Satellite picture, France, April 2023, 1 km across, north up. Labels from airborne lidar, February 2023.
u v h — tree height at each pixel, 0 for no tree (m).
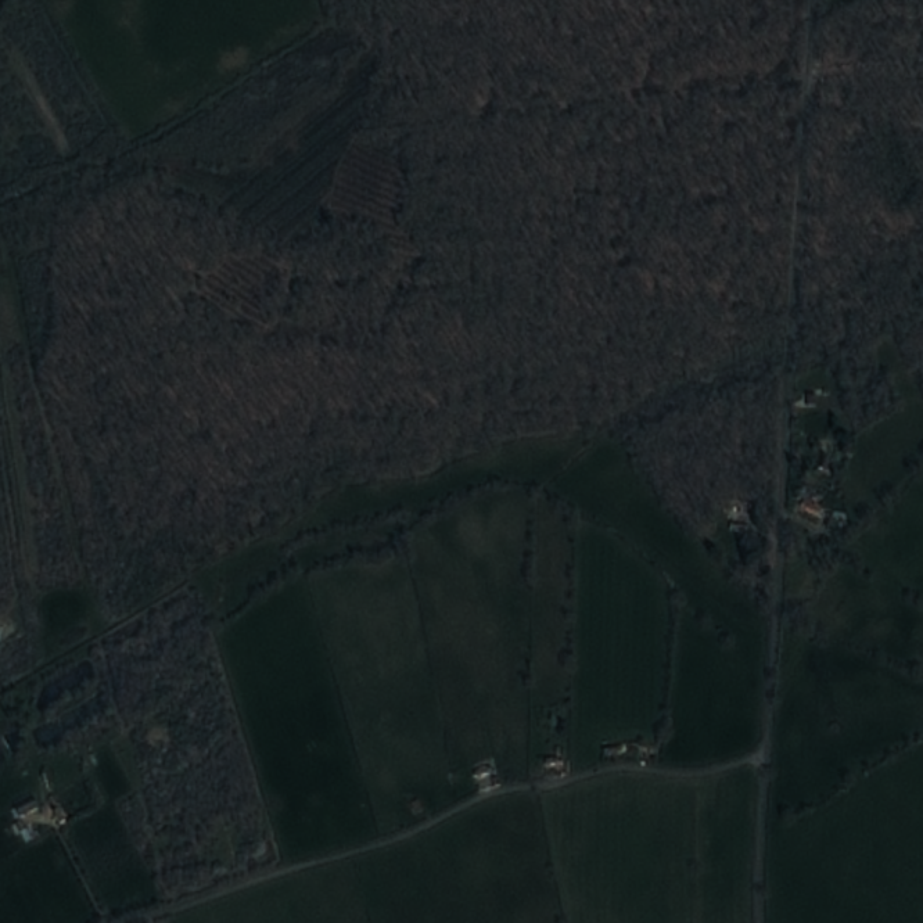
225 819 9
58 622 0
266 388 19
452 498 6
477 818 0
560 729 13
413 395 28
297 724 0
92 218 21
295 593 0
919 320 11
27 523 0
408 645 0
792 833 0
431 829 0
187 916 0
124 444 24
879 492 0
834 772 0
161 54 0
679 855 0
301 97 7
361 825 0
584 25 23
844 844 0
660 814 0
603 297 23
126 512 17
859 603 0
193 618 10
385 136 16
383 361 25
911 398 0
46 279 8
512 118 18
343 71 8
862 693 0
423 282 18
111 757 0
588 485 0
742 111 17
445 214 14
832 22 20
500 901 0
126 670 15
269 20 0
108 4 0
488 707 0
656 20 6
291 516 16
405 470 20
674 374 21
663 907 0
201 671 7
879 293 24
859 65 0
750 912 0
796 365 18
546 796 0
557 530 0
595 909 0
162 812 9
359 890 0
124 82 0
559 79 18
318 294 22
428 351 26
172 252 25
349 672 0
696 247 21
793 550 23
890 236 23
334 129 0
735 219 23
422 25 24
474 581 0
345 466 17
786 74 0
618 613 0
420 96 21
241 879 8
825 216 20
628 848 0
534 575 15
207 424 19
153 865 8
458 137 21
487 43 21
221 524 21
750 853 0
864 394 7
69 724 0
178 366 20
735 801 0
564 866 0
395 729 0
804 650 0
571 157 15
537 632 0
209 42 0
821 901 0
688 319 20
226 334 23
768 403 16
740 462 10
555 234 21
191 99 0
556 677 0
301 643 0
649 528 0
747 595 18
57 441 10
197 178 0
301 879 0
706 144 13
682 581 0
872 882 0
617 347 16
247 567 0
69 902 0
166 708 5
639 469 14
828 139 24
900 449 0
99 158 10
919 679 15
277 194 0
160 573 17
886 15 24
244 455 21
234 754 10
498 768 0
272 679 0
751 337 18
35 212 15
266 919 0
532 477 0
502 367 23
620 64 23
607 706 0
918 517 0
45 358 20
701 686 0
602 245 21
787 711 0
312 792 0
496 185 18
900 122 20
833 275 20
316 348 24
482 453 23
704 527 25
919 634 0
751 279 21
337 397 19
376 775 0
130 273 25
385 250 17
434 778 0
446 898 0
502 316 19
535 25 21
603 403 23
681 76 20
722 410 21
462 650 0
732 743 0
